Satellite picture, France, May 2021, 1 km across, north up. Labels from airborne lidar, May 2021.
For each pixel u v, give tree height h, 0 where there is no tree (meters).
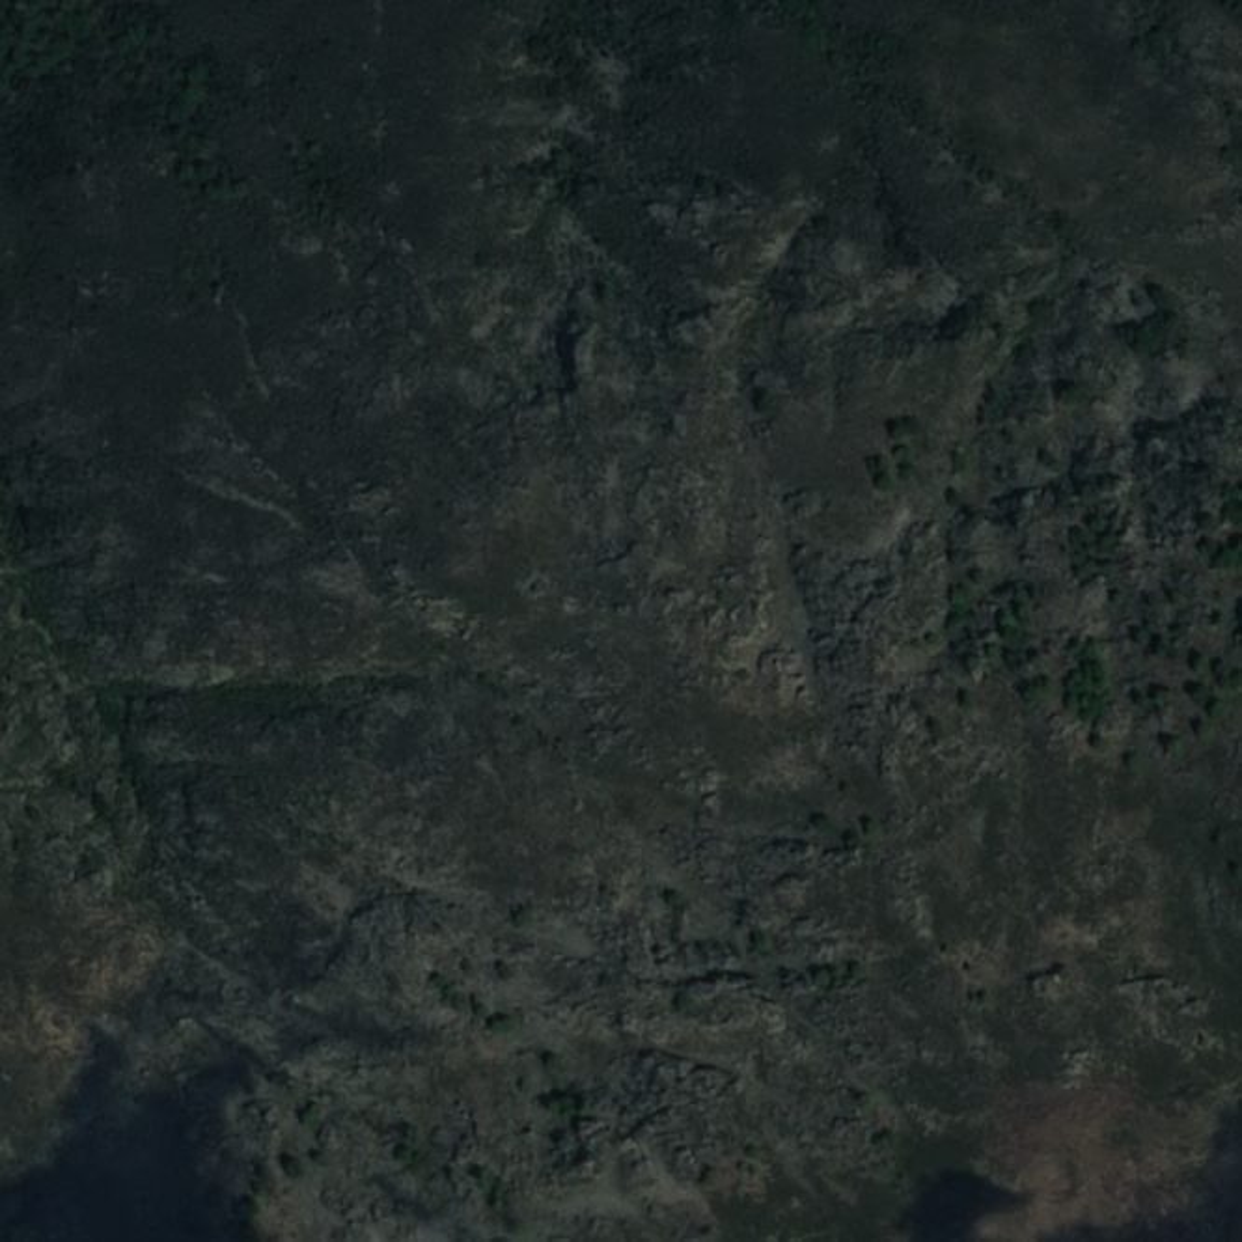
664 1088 0
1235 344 0
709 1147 0
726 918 0
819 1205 0
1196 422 9
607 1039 0
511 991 0
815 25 15
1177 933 0
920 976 0
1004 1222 0
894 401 0
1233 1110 0
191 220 6
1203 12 0
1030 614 11
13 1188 0
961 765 0
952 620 14
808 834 0
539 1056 0
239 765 6
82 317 6
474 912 0
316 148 12
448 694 0
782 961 0
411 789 0
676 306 6
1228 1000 0
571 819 0
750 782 0
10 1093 0
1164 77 6
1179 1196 0
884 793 0
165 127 12
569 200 11
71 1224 0
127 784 7
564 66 12
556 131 7
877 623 0
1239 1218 0
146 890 6
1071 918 0
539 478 0
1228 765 0
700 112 5
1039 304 13
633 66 7
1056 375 9
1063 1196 0
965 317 15
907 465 11
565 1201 0
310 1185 0
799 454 0
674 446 0
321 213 6
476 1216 0
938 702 0
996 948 0
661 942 0
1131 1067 0
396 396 0
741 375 6
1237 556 19
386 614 0
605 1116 0
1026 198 7
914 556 10
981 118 0
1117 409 0
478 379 0
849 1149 0
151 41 12
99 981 0
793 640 0
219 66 8
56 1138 0
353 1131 0
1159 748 0
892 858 0
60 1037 0
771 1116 0
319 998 0
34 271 6
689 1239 0
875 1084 0
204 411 0
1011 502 9
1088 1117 0
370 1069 0
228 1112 0
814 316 0
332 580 0
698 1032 13
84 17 16
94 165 10
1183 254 0
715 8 5
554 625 0
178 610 0
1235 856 0
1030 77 0
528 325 0
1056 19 0
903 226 6
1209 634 0
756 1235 0
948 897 0
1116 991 0
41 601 9
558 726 0
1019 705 0
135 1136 0
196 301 9
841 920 0
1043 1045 0
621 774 0
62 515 7
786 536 0
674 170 7
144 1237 0
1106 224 0
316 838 6
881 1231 0
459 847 0
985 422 15
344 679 9
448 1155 0
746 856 0
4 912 0
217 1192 10
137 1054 0
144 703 6
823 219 13
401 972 0
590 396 0
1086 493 15
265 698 9
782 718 0
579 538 0
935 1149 0
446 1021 0
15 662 8
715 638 0
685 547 0
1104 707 16
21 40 21
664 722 0
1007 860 0
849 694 0
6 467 15
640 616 0
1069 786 0
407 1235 0
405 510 0
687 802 0
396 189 0
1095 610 0
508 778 0
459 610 0
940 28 0
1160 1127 0
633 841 0
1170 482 7
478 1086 0
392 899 0
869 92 9
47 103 6
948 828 0
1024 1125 0
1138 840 0
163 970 7
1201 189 0
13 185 7
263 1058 0
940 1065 0
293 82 8
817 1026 0
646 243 6
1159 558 0
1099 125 0
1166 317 6
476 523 0
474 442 6
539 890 0
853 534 0
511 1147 0
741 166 7
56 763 8
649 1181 0
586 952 0
